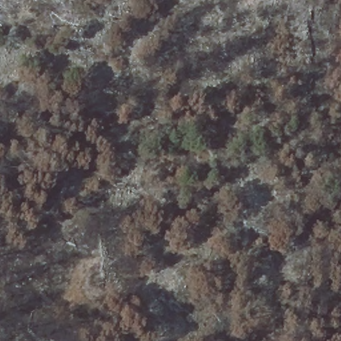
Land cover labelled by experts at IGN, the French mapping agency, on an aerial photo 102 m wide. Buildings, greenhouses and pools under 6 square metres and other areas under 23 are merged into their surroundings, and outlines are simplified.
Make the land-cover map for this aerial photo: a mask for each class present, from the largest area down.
<instances>
[{"label":"coniferous trees","instance_id":"1","mask_svg":"<svg viewBox=\"0 0 341 341\"><path fill-rule=\"evenodd\" d=\"M200 5L197 0H75L72 9H77V13L83 16L88 24L71 27L60 23L53 25L52 28L40 29L35 20L27 19L23 24H16L15 35L9 32L8 24L3 27L0 25V47L12 53L13 49H19L24 43L29 45V56H21L23 64L20 65L19 79L0 88V246L5 257L15 260H20L24 254L31 260L41 256L45 250L43 244L48 240L53 241V250L81 253V257L91 268L89 284L93 288L103 290L104 294L88 300L85 304L89 306L88 326L85 328L88 334H80L76 341H341V0H336V4L333 5L338 12L340 29H337L336 48L340 55L336 57V61H340V67L334 69L329 83L325 85V95H317L314 89L317 80L325 79L324 73L298 72L297 67H294L293 71L285 73V76L278 77L277 81L273 80L270 87H266L265 84H249L244 95L236 100L234 89H237V84L233 81L206 88L202 87L200 79L182 83V80L174 73H169L167 69L164 72L149 71L139 57L155 52L159 48V41L167 39L168 31L173 28L177 16Z\"/></svg>","mask_w":341,"mask_h":341},{"label":"bare soil","instance_id":"2","mask_svg":"<svg viewBox=\"0 0 341 341\"><path fill-rule=\"evenodd\" d=\"M75 0H0V25L3 27L8 24L9 32L15 35L16 24H23L27 19L35 20L40 29L52 28L53 25L60 23L71 27L88 24L83 16L77 13V9H72ZM200 5L177 16L173 28L168 31L167 39L159 41V48L155 52L139 57L149 71L164 72L167 69L169 73H174L182 80V83L200 79L202 87L206 88L233 81L237 84V89H234L236 100L244 95L249 84H265L266 87H270L273 80L277 81L278 77L285 76V73L293 71L294 67H297L298 72L324 73L325 79L317 80L314 89L317 95H325V85L329 83L334 69L340 67V61H336V57L340 55L336 48L337 29H340L338 12L333 5L336 4V0H197ZM29 56V45L24 43L19 49H13L12 53L0 47V88L19 79L20 65L23 64L21 56ZM53 241L48 240L43 244L45 250L41 256L31 260L24 254L20 260H15L5 257L0 246V341H76L80 334H88L85 328L88 326L89 306L85 304L88 300L104 294L103 290L93 288L89 284L91 268L81 257V253L53 250Z\"/></svg>","mask_w":341,"mask_h":341}]
</instances>
